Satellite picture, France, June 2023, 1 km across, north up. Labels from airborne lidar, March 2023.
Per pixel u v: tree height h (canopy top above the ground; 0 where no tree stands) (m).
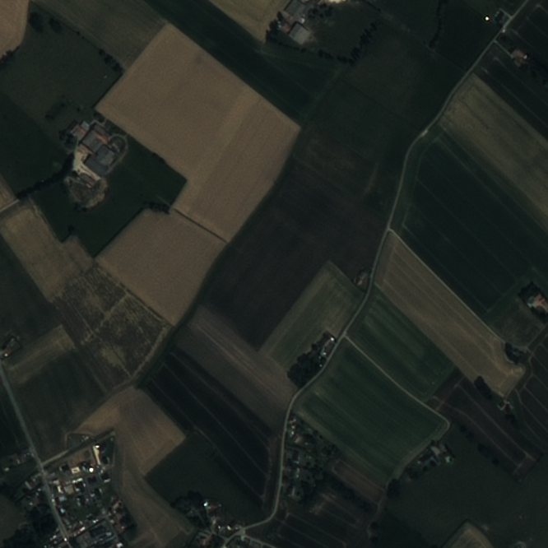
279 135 0
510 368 0
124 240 0
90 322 0
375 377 0
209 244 0
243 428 0
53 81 0
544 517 0
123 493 0
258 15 0
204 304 0
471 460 0
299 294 0
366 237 0
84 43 0
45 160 0
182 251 0
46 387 0
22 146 0
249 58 0
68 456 0
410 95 0
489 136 0
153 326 0
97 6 0
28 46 0
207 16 0
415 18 0
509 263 0
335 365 0
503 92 0
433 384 0
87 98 0
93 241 0
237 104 0
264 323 0
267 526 0
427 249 0
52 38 0
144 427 0
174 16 0
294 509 0
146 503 0
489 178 0
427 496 0
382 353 0
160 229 0
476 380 0
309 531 0
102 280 0
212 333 0
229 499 0
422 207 0
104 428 0
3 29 0
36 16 14
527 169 0
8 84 0
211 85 0
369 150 0
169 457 0
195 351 0
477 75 0
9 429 0
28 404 0
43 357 0
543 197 0
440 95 0
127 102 0
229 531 0
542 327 0
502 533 0
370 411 0
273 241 0
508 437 0
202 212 0
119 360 0
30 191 12
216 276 0
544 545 0
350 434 0
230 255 0
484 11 0
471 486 0
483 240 0
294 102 0
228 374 0
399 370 0
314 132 0
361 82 0
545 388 0
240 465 0
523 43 0
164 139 0
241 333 0
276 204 0
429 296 0
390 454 0
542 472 0
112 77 0
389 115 0
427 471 9
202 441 0
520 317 0
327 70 0
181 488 0
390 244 0
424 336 0
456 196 0
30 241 0
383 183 0
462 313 0
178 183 0
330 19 0
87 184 0
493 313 0
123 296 0
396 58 0
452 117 0
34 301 0
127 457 0
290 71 0
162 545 0
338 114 0
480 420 0
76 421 0
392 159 0
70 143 15
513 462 0
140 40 0
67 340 0
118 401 0
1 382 0
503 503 0
